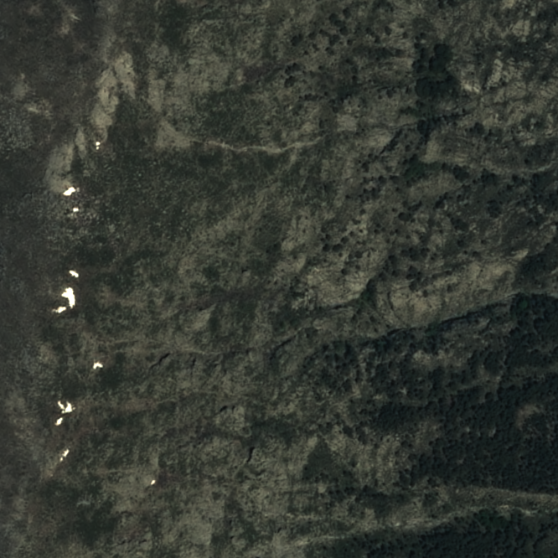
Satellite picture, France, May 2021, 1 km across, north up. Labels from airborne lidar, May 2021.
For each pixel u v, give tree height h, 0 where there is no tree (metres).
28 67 0
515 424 29
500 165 0
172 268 0
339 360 18
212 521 0
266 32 0
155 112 0
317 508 0
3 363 0
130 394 0
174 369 0
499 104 0
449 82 20
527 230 0
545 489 16
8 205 0
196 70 0
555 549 0
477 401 12
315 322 0
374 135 0
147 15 0
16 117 0
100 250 0
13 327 0
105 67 0
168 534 0
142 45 0
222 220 0
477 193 0
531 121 0
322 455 0
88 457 0
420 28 0
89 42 0
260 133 0
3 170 0
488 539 19
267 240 0
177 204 0
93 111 0
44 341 0
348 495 8
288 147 0
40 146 0
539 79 0
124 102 0
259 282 0
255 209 0
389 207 0
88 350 0
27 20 0
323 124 10
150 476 0
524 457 8
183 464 0
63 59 0
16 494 0
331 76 10
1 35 0
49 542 0
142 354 0
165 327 0
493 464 18
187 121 0
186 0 0
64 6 0
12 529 0
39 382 0
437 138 0
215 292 7
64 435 0
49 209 0
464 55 0
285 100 0
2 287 0
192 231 0
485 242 16
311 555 0
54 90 0
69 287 0
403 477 16
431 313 0
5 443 0
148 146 0
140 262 0
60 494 0
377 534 0
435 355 7
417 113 9
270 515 0
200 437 11
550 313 24
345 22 12
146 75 0
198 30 0
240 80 0
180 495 0
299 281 8
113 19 0
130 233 0
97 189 0
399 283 0
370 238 0
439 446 17
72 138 0
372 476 0
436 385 21
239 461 0
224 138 0
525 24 0
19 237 0
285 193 0
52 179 0
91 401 0
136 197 0
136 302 0
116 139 0
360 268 13
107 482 0
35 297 0
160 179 0
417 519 0
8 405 0
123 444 0
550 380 14
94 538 0
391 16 0
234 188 0
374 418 10
